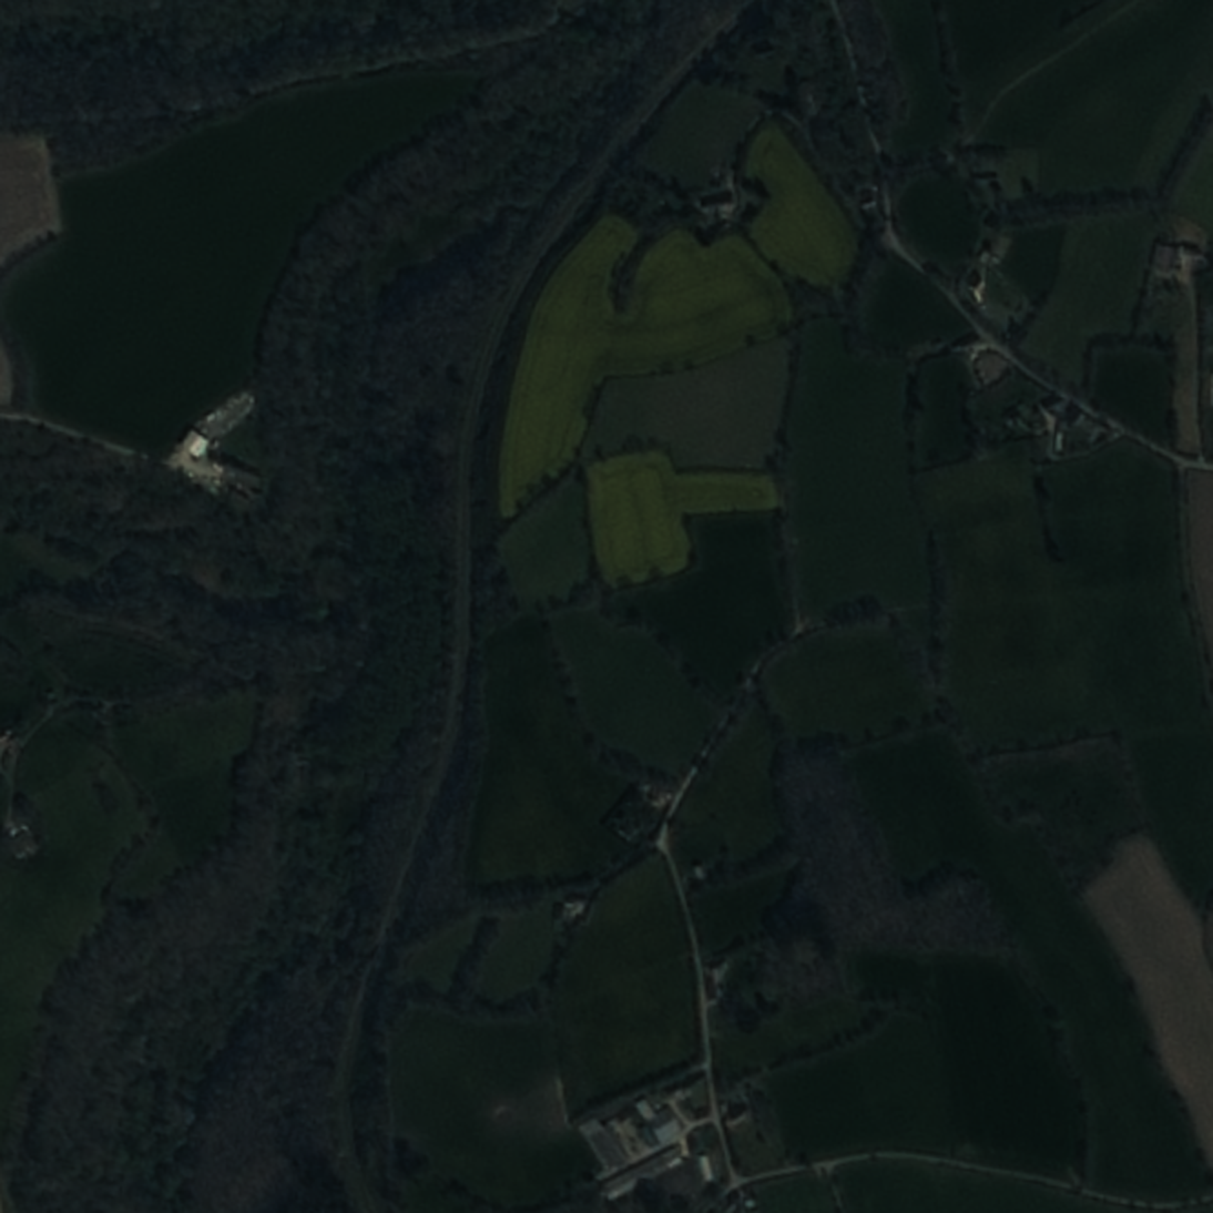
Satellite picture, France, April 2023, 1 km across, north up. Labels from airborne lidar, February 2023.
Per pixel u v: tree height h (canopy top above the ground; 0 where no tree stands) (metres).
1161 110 0
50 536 8
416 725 21
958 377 0
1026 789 0
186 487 10
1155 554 0
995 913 16
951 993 0
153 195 0
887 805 0
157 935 17
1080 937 0
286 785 22
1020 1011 0
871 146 6
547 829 0
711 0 19
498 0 18
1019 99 0
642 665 0
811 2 10
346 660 25
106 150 13
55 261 0
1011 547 0
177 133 11
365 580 21
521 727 0
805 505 0
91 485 16
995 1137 0
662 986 0
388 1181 11
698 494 0
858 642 0
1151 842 0
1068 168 0
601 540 0
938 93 0
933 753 0
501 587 17
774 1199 0
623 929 0
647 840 7
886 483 0
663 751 0
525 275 0
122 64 27
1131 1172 0
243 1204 17
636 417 0
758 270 0
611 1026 0
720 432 0
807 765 20
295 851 9
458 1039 0
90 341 0
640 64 21
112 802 7
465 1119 0
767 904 0
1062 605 0
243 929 23
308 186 0
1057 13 0
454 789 15
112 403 0
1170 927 0
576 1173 0
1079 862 0
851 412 0
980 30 0
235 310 0
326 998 6
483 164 17
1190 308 0
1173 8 0
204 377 0
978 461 6
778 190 0
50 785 0
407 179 17
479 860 0
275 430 18
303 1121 21
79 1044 26
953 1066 0
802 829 18
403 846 18
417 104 0
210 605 8
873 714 0
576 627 0
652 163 0
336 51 25
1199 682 0
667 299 0
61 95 21
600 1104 8
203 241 0
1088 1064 0
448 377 26
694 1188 0
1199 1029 0
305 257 15
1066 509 0
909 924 20
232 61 21
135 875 0
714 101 0
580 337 0
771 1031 0
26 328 0
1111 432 9
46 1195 21
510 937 0
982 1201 0
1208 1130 0
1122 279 0
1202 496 0
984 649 0
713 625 0
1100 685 0
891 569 0
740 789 0
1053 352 0
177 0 25
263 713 8
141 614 23
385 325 26
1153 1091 0
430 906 20
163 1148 11
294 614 22
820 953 18
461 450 0
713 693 11
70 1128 27
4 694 0
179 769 0
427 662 25
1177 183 14
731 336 0
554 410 0
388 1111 9
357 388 15
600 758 8
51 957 0
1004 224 7
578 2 0
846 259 0
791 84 14
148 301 0
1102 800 0
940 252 0
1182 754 0
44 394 0
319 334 23
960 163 13
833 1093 0
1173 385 6
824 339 0
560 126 14
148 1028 13
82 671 0
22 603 8
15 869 0
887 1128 0
